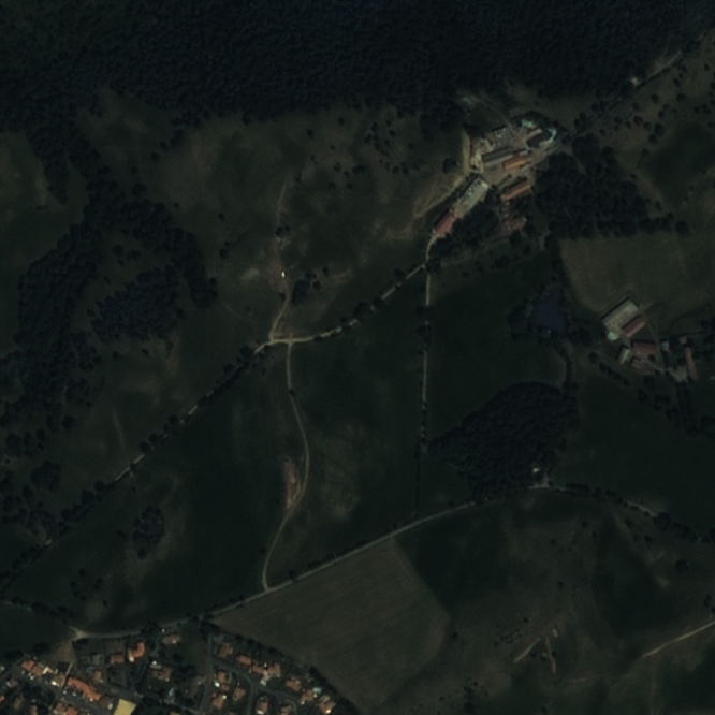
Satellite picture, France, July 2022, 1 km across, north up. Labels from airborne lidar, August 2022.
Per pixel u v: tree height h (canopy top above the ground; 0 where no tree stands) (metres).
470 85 16
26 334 20
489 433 22
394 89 17
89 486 0
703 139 0
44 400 8
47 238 0
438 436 0
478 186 0
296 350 0
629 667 0
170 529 0
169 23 21
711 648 0
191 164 0
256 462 0
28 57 11
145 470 0
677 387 8
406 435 0
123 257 14
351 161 0
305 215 0
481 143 0
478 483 11
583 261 0
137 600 0
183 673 14
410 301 0
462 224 18
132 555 0
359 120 0
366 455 0
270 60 25
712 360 7
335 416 0
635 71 9
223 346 0
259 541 0
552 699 0
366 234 0
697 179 0
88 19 23
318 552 0
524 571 0
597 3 23
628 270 0
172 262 8
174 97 21
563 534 0
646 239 0
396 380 0
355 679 0
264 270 0
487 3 19
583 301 0
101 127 0
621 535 0
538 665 0
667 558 0
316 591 0
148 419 0
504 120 0
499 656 0
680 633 0
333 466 0
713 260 0
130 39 24
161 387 0
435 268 16
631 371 0
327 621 0
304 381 0
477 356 0
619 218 14
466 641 0
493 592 0
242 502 0
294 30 19
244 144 0
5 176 0
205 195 0
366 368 0
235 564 0
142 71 19
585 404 0
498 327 0
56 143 16
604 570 0
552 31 21
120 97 13
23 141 0
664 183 0
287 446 0
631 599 0
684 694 0
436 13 23
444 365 0
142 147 0
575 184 11
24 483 0
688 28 8
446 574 0
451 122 15
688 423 11
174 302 16
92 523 0
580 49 22
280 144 0
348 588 0
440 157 0
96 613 0
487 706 0
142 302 16
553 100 10
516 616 0
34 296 21
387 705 0
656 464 0
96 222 26
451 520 0
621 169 0
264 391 0
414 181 0
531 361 0
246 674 0
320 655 0
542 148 0
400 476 0
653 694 0
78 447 0
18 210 0
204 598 0
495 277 0
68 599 0
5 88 28
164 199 0
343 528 0
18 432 0
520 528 0
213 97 18
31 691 19
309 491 0
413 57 19
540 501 0
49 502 0
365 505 0
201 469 0
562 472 0
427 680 0
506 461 22
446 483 0
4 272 0
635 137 0
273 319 0
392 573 0
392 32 18
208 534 0
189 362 0
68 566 0
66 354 19
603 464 0
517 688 0
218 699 0
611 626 0
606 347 0
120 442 0
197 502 0
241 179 0
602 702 0
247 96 21
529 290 0
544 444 20
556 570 0
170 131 0
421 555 0
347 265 0
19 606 9
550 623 0
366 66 10
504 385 0
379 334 0
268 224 0
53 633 0
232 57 21
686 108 0
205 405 9
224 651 0
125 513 0
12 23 8
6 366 18
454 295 0
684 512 0
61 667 0
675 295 0
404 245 0
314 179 0
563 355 11
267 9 22
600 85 13
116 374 0
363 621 0
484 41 17
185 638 0
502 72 14
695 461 0
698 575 0
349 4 26
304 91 17
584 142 15
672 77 0
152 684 0
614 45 19
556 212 14
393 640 0
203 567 0
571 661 0
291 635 0
